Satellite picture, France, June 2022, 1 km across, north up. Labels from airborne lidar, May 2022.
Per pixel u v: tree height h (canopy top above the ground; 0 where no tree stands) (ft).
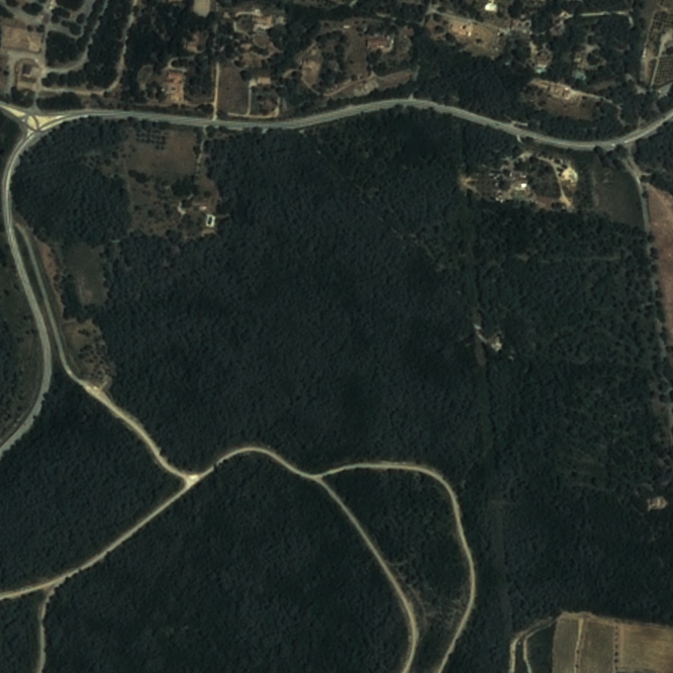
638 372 37
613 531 33
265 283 45
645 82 21
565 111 0
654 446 27
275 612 68
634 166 0
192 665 46
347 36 23
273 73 26
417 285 43
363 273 38
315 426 58
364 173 31
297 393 72
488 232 25
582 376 51
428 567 31
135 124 52
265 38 0
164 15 31
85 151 60
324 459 48
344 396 45
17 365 66
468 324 68
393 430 36
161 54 37
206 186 0
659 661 0
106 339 50
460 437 56
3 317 58
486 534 55
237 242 63
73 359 0
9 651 43
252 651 47
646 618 22
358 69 0
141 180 30
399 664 33
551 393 58
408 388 54
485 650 38
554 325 43
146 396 48
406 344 45
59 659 54
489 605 26
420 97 46
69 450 47
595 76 25
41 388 0
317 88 26
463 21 0
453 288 52
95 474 51
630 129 35
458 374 42
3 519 40
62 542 43
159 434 57
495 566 19
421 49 54
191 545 38
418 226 58
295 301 62
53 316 0
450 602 35
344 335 57
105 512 55
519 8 42
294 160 49
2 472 45
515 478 40
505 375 52
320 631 50
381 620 57
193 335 62
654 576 44
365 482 44
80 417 65
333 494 0
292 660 36
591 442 32
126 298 43
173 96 0
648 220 0
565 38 25
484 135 53
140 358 58
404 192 55
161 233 0
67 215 47
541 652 22
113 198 63
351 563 37
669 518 39
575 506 31
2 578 29
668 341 56
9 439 0
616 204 0
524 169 56
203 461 35
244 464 51
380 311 60
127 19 28
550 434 53
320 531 50
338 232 47
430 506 44
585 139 41
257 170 43
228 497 32
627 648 0
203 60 61
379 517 51
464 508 34
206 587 44
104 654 44
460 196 43
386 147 41
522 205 42
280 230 52
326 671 62
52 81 37
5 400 60
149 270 45
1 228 30
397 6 50
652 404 25
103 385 0
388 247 59
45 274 0
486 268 66
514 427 54
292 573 52
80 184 50
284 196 57
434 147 52
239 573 46
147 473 59
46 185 49
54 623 51
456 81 43
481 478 49
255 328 56
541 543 49
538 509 31
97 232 55
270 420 63
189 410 52
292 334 54
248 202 30
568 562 22
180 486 31
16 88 25
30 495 65
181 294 47
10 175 0
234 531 54
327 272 56
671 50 22
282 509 41
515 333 43
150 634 57
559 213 36
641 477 49
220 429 57
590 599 29
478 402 49
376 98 39
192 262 58
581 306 69
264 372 57
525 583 47
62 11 41
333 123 20
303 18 53
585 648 0
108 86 34
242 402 62
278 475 46
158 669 62
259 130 52
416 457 44
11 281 0
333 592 52
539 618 50
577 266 33
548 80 33
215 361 56
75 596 57
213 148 60
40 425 42
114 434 53
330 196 50
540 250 50
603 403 30
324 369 53
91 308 54
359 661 47
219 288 52
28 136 0
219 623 48
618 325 52
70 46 31
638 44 64
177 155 0
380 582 42
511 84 46
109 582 54
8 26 0
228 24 22
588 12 53
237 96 0
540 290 45
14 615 54
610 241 51
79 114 0
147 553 54
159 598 34
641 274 42
